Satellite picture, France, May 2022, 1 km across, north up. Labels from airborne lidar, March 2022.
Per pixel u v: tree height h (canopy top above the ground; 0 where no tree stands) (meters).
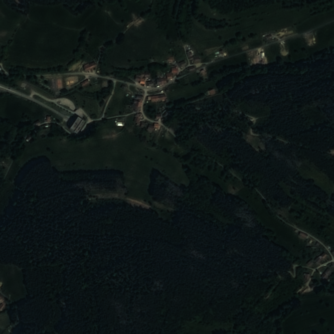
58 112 0
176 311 21
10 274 0
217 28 22
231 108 27
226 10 19
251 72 17
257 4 13
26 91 0
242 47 0
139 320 20
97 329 6
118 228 20
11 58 0
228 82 32
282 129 11
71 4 12
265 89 32
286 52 0
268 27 0
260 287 16
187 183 0
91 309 21
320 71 28
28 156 0
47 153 0
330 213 22
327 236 7
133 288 12
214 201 34
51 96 0
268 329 16
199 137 22
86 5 28
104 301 21
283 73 21
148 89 0
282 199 22
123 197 0
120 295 22
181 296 20
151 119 14
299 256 0
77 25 0
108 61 0
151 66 20
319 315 0
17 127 9
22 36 0
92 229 32
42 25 0
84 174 19
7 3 20
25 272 19
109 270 31
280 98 33
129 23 0
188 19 7
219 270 25
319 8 8
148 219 20
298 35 0
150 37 0
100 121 0
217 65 0
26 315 28
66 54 0
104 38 0
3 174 11
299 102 32
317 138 18
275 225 0
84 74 0
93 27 0
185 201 12
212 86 0
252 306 11
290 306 21
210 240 33
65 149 0
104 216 29
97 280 18
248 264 30
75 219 31
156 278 25
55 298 10
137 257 38
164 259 29
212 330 0
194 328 0
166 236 15
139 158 0
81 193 39
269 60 0
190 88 0
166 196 26
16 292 0
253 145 0
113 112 0
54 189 38
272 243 20
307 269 9
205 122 18
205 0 17
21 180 29
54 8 0
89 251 8
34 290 21
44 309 26
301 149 15
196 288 24
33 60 0
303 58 0
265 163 15
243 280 22
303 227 0
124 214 21
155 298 26
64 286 16
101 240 29
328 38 0
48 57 0
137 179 0
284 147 22
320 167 16
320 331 0
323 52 10
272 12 0
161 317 21
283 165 20
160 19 5
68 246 32
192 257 27
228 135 31
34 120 0
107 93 13
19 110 0
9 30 0
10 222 35
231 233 25
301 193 26
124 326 18
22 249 23
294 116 10
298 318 0
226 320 16
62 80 0
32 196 25
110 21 0
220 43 0
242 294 13
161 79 0
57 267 7
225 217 9
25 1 25
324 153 11
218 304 18
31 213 20
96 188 36
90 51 0
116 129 0
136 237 19
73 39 0
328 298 0
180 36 10
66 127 0
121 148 0
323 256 0
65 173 13
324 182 0
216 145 27
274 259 35
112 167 0
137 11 0
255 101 31
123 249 31
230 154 13
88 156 0
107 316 21
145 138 6
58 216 32
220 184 0
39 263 22
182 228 32
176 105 15
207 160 20
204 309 17
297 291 6
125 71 18
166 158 0
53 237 28
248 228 16
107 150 0
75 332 22
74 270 24
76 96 0
